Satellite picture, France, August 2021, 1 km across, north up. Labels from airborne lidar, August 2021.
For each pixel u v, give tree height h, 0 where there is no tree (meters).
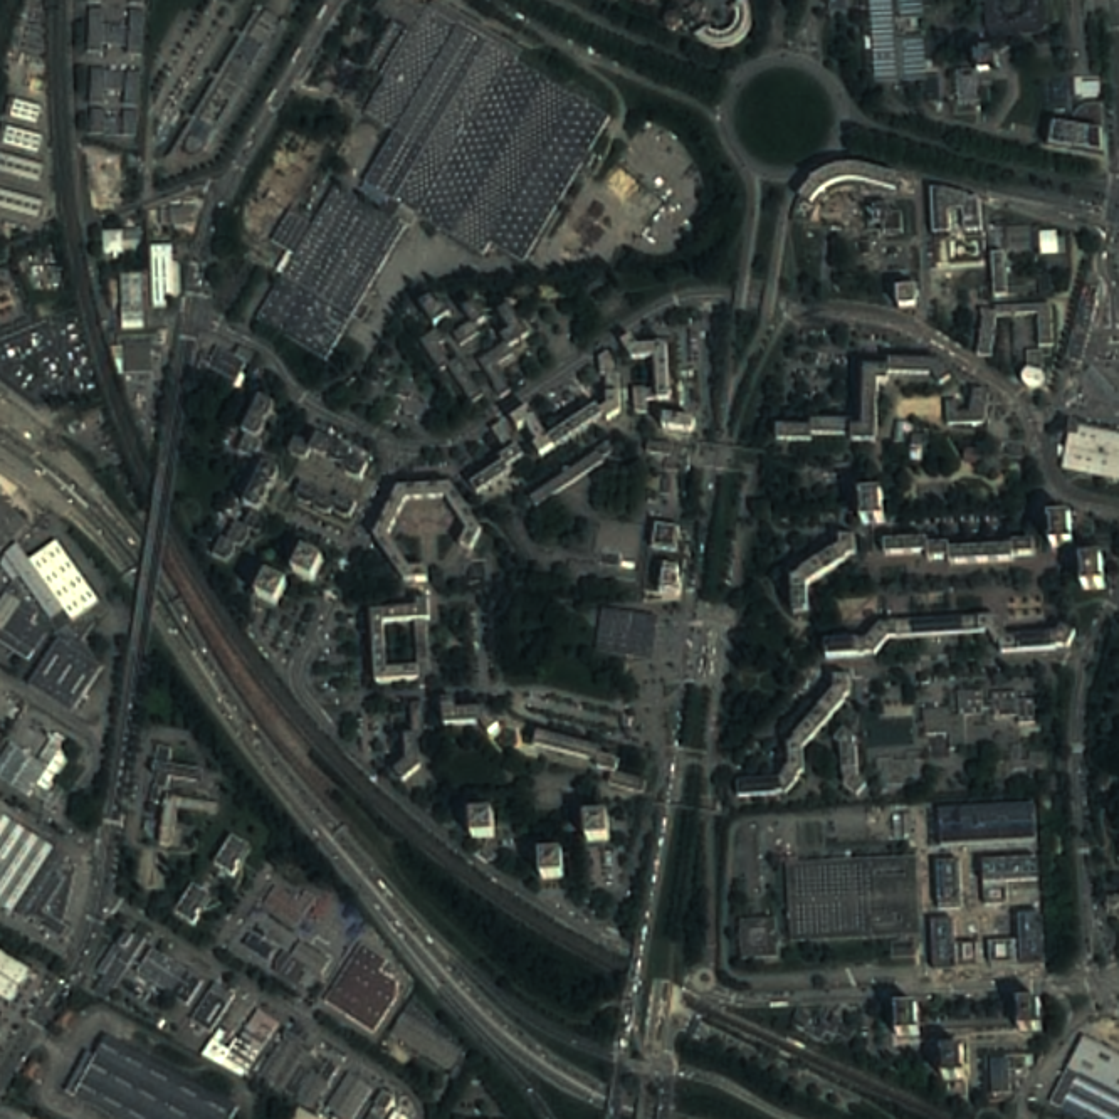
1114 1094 0
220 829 0
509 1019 0
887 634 0
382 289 0
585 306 17
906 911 0
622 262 11
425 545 0
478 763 0
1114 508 0
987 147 20
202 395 20
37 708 0
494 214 0
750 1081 9
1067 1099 0
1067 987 0
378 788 6
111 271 12
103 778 12
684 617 0
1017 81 0
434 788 9
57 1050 0
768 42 17
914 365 0
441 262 0
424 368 13
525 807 15
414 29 0
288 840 7
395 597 16
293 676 0
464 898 14
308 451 0
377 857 0
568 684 0
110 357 7
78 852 0
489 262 0
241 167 0
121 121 0
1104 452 0
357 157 0
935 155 19
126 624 0
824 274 0
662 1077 0
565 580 16
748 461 0
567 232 0
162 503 0
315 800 0
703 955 9
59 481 0
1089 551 17
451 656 14
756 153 0
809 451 17
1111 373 0
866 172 0
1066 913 14
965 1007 14
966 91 0
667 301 0
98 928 0
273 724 0
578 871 10
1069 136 0
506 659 11
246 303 8
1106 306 0
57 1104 0
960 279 0
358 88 9
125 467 9
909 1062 10
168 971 0
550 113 0
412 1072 15
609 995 8
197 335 0
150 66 0
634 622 0
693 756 0
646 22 14
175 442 0
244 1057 0
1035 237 0
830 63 10
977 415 0
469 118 0
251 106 7
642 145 0
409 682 17
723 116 0
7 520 0
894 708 0
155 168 0
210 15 0
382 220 0
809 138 0
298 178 0
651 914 0
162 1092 0
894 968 0
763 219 0
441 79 0
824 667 0
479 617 0
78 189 0
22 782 0
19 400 0
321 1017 11
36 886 0
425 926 0
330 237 0
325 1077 0
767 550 8
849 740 0
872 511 0
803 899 0
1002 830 0
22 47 0
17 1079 8
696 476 17
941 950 0
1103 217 0
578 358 0
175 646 0
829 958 12
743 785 0
